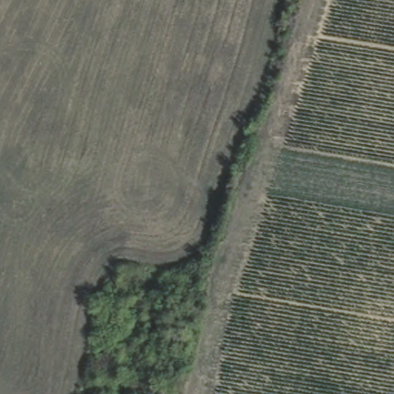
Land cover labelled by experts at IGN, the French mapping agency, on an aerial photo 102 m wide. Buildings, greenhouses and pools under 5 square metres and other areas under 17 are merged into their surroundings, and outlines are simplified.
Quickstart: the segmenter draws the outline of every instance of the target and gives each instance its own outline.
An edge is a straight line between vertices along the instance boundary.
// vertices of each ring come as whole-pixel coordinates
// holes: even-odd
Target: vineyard
[[[292,105],[297,108],[297,112],[285,125],[285,143],[275,160],[274,179],[269,182],[266,192],[268,199],[263,205],[263,222],[260,223],[259,231],[255,235],[249,262],[243,271],[240,291],[237,294],[239,297],[229,303],[222,303],[222,309],[231,312],[231,320],[226,325],[223,342],[220,345],[220,351],[225,354],[225,362],[222,363],[220,385],[215,388],[215,394],[394,394],[394,0],[332,0],[325,31],[322,34],[306,35],[306,42],[311,43],[306,49],[306,57],[312,62],[309,80],[300,94],[292,95]]]

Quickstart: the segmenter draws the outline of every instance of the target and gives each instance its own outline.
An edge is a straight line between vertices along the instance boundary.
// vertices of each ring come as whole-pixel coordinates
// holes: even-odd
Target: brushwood
[[[279,82],[285,57],[279,54],[279,49],[282,48],[280,43],[272,40],[268,40],[269,51],[265,54],[265,68],[254,97],[243,111],[237,111],[231,117],[237,131],[231,145],[228,146],[231,152],[228,157],[223,154],[217,155],[223,171],[232,174],[232,177],[228,183],[229,197],[225,214],[217,225],[212,226],[212,246],[225,240],[235,200],[239,195],[240,174],[246,172],[246,163],[251,154],[255,154],[259,149],[260,140],[268,139],[268,126],[269,122],[272,122],[272,112],[268,108],[269,95]]]
[[[212,246],[203,252],[202,260],[200,282],[206,279],[206,272],[212,266]]]

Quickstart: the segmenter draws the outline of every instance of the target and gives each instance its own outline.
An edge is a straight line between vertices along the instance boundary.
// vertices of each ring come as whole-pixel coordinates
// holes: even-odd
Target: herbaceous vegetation
[[[302,0],[299,2],[299,12],[295,15],[294,28],[289,34],[291,48],[285,57],[279,82],[269,95],[268,108],[272,112],[272,122],[269,122],[268,126],[268,139],[260,140],[259,149],[255,154],[251,154],[246,163],[246,172],[240,174],[239,195],[235,200],[225,240],[212,246],[212,266],[206,272],[206,279],[200,282],[200,291],[206,292],[206,308],[200,317],[200,351],[199,356],[195,356],[192,362],[192,371],[189,372],[183,386],[183,394],[215,394],[215,388],[220,385],[222,363],[225,362],[225,354],[220,351],[220,345],[223,342],[226,325],[231,320],[231,312],[222,309],[222,303],[229,303],[239,297],[237,294],[240,291],[243,271],[249,262],[255,235],[259,231],[260,223],[263,222],[263,205],[268,199],[266,192],[269,182],[274,179],[275,160],[285,143],[285,125],[297,112],[297,108],[292,105],[292,95],[300,94],[309,80],[312,62],[306,57],[306,49],[311,43],[306,42],[306,35],[322,34],[325,31],[332,0]]]

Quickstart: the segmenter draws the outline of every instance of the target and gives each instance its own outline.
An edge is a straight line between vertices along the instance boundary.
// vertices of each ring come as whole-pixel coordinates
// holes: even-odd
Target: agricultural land
[[[282,20],[282,12],[288,9],[286,0],[0,0],[0,394],[71,394],[74,392],[77,377],[85,379],[85,369],[89,365],[89,354],[83,354],[83,337],[91,337],[91,332],[95,331],[92,314],[85,317],[83,306],[88,305],[92,294],[102,291],[111,280],[117,279],[117,268],[122,265],[137,265],[137,262],[154,263],[155,271],[143,283],[143,291],[165,291],[166,283],[159,282],[163,272],[169,269],[183,269],[188,263],[202,260],[203,252],[212,246],[212,226],[217,225],[225,214],[229,197],[228,183],[232,177],[232,174],[223,171],[217,155],[223,154],[228,157],[231,152],[228,146],[231,145],[237,131],[231,117],[237,111],[243,111],[254,97],[265,68],[265,54],[269,51],[268,40],[272,40],[269,20],[272,17],[277,22]]]

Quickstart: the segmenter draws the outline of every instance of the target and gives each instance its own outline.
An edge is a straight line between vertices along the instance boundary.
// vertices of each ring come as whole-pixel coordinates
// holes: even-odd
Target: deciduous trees
[[[286,0],[288,9],[282,12],[282,20],[277,22],[272,17],[269,20],[272,40],[280,43],[282,48],[279,49],[279,54],[285,57],[291,48],[289,34],[294,28],[295,15],[299,12],[299,2],[302,0]]]
[[[77,377],[74,392],[71,394],[183,394],[183,386],[189,372],[192,371],[192,362],[195,356],[199,356],[200,351],[200,317],[206,308],[206,292],[200,291],[200,282],[202,260],[188,263],[183,269],[169,269],[163,272],[159,282],[166,283],[165,291],[143,291],[143,283],[155,271],[154,263],[137,262],[137,265],[122,265],[117,268],[117,279],[111,280],[102,291],[92,294],[88,305],[83,306],[85,317],[92,314],[95,331],[91,332],[91,337],[83,337],[83,354],[89,354],[89,365],[85,369],[85,379]]]

